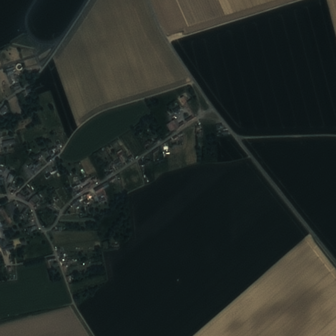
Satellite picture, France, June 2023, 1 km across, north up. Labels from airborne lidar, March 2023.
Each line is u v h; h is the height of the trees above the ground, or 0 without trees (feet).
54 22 0
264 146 0
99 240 0
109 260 0
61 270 0
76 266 0
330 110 0
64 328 0
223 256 0
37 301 0
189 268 0
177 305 0
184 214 0
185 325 0
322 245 0
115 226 50
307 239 0
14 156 0
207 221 0
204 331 0
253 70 0
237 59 0
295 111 0
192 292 0
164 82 0
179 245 0
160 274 0
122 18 0
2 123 30
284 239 0
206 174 0
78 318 0
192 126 0
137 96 0
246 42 0
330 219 0
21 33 0
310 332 0
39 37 0
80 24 0
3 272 0
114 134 0
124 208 63
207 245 0
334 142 0
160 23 0
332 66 0
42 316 0
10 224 0
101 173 0
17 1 0
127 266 0
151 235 0
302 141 0
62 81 0
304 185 0
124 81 0
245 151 0
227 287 0
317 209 0
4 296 0
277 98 0
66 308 0
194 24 0
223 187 0
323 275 0
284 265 0
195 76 0
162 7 0
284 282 0
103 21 0
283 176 0
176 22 0
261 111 0
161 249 0
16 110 0
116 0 0
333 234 0
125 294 0
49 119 0
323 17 0
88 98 0
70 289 0
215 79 0
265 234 0
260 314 0
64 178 0
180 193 0
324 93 0
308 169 0
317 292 0
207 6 0
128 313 0
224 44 0
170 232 0
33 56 0
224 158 0
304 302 0
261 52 0
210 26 0
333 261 0
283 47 0
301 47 0
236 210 0
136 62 0
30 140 0
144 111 0
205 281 0
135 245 0
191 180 0
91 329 0
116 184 0
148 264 0
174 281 0
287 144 0
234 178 0
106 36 0
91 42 0
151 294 0
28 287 0
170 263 0
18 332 0
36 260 42
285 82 0
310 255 0
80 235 0
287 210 0
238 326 0
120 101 0
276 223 0
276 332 0
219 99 0
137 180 0
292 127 0
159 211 0
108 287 0
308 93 0
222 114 0
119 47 0
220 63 0
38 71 42
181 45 0
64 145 0
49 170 0
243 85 0
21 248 25
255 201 0
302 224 0
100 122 0
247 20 0
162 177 0
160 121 0
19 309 0
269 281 0
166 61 0
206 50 0
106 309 0
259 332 0
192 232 0
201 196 0
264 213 0
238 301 0
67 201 0
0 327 0
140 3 0
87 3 0
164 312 0
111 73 0
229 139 0
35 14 0
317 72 0
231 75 0
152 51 0
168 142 0
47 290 0
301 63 0
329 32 0
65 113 0
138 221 0
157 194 0
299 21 0
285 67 0
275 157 0
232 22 0
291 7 0
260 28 0
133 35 0
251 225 0
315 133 0
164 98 0
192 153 0
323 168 0
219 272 0
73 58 0
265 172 0
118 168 0
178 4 0
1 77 0
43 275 0
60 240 0
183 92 0
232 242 0
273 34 0
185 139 0
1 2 0
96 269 59
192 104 0
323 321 0
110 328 0
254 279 0
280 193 0
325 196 0
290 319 0
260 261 0
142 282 0
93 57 0
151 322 0
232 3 0
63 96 0
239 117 0
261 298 0
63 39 0
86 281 0
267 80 0
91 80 0
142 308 0
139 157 0
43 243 35
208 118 0
